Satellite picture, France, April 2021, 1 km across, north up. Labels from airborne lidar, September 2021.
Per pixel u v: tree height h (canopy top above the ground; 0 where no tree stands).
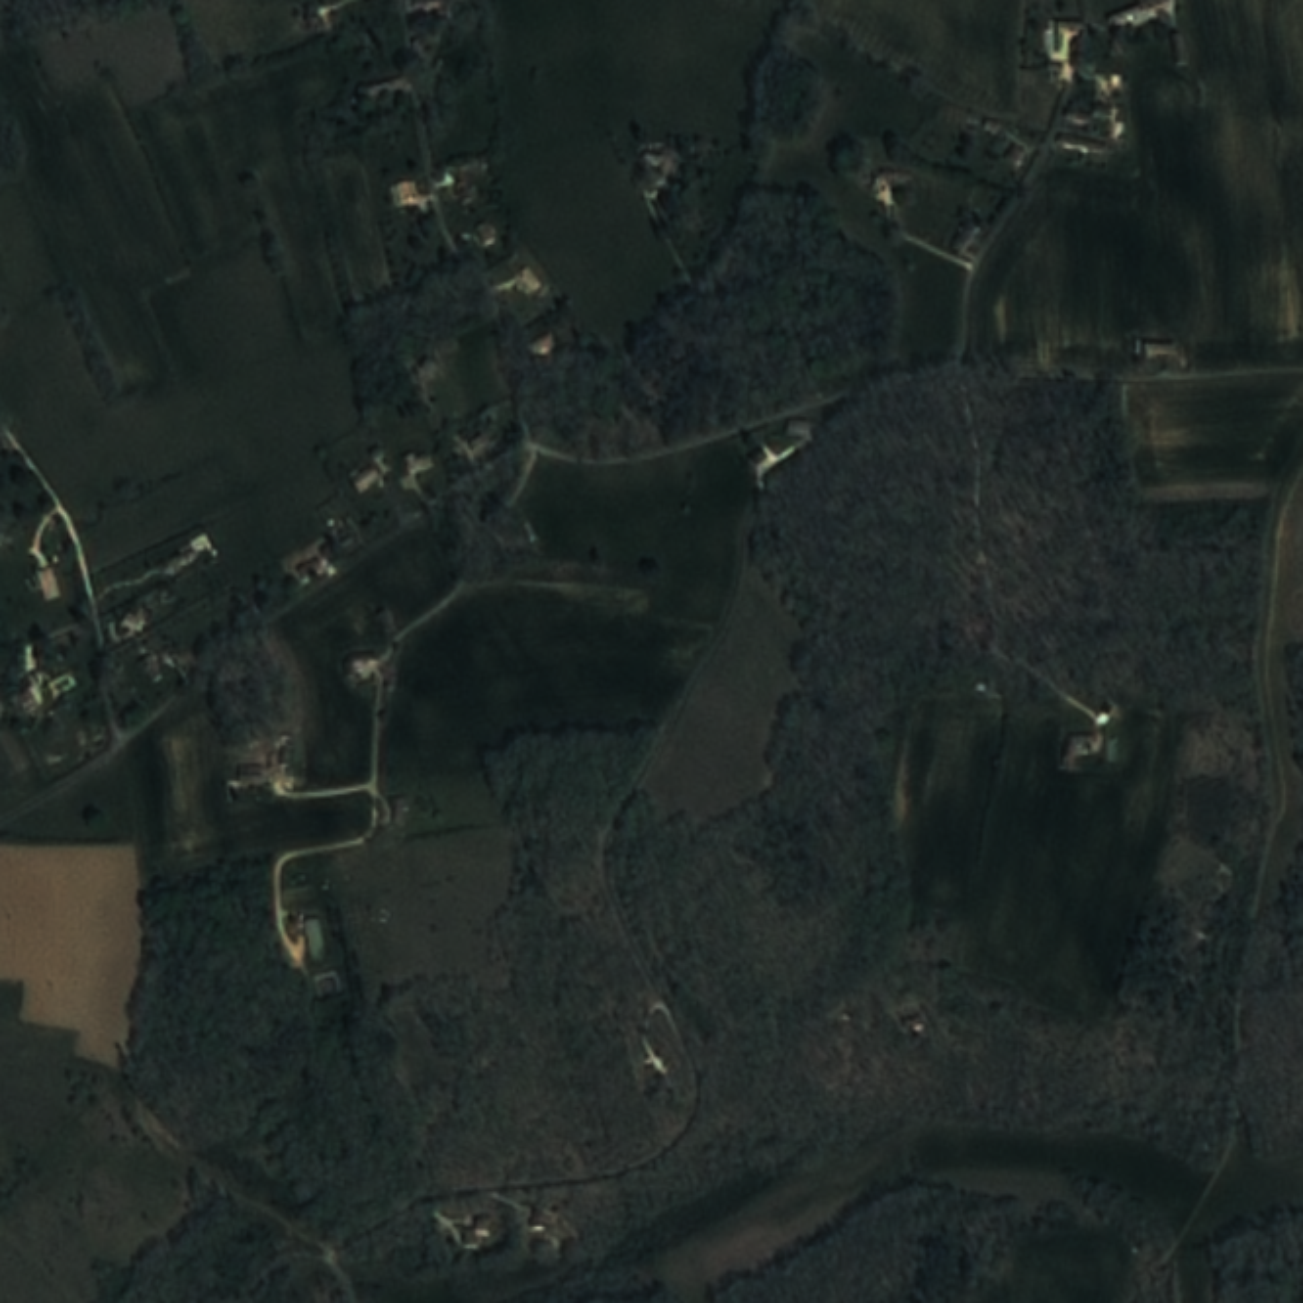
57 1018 0
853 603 19
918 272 0
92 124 0
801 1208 0
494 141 7
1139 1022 15
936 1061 16
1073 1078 11
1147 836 0
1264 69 0
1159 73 0
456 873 0
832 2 0
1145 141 0
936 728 0
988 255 0
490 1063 12
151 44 0
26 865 0
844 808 20
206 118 0
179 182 0
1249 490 0
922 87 18
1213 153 0
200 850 0
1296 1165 0
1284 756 0
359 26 6
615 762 22
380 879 0
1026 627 15
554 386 21
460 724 0
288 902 0
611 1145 11
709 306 21
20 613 0
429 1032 15
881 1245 18
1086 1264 0
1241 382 0
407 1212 23
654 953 11
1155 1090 13
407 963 0
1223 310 0
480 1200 11
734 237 15
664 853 17
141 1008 17
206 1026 18
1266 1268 18
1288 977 10
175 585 6
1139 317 0
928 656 18
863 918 17
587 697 0
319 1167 17
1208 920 10
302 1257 0
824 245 19
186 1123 21
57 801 0
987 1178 0
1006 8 0
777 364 22
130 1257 0
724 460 0
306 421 0
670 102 0
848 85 0
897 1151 0
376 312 16
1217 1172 8
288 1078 18
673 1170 14
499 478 16
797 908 16
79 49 0
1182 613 21
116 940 0
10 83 0
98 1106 7
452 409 0
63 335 0
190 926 17
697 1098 10
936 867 0
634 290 0
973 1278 19
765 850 11
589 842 19
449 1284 7
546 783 21
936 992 14
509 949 12
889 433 17
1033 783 0
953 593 19
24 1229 0
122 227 0
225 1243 22
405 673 0
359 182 0
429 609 0
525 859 9
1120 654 27
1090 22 0
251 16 0
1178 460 0
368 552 0
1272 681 0
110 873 0
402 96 7
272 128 0
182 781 0
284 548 0
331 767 0
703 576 0
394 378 15
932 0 0
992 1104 13
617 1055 14
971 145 12
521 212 0
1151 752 0
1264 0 0
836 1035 11
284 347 0
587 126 0
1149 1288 7
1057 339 0
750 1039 19
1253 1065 12
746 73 0
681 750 0
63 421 0
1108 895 0
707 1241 0
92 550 0
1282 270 0
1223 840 6
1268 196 0
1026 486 19
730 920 14
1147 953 16
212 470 0
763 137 21
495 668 0
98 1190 0
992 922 0
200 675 11
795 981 17
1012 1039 12
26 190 0
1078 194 0
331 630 0
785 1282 16
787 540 16
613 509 0
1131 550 20
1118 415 13
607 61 0
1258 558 14
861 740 21
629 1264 7
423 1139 12
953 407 19
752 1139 17
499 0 0
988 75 0
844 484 22
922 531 16
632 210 0
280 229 0
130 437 0
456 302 13
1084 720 0
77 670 7
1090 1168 0
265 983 18
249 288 0
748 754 0
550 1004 16
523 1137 13
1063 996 0
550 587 0
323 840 0
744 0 18
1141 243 0
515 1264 19
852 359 23
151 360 0
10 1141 0
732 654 0
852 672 19
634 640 0
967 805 0
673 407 25
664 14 0
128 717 10
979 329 0
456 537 14
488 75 9
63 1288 0
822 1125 12
